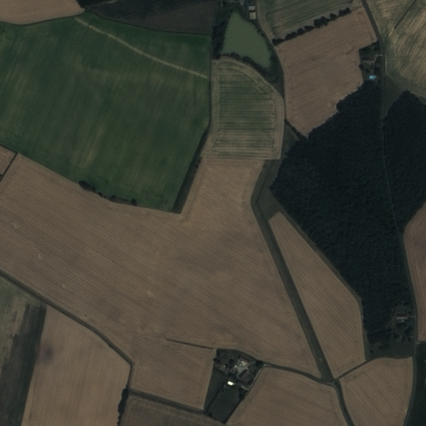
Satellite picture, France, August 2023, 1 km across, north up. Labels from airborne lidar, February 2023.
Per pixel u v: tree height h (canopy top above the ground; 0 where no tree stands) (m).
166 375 0
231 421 0
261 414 0
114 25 0
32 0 0
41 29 0
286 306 0
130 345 0
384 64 0
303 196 19
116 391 0
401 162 16
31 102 0
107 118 0
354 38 0
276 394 0
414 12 0
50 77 0
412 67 0
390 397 0
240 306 0
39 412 0
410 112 23
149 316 0
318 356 0
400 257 11
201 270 0
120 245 0
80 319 0
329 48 0
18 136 0
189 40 0
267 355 0
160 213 0
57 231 0
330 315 0
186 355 0
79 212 0
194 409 0
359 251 19
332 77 0
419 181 20
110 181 0
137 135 0
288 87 0
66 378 0
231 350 0
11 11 0
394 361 0
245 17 0
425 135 18
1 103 0
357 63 0
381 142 12
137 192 0
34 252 0
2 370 0
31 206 0
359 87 0
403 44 0
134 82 0
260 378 0
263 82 0
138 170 0
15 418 0
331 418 0
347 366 0
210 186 0
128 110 0
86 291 0
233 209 0
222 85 0
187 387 0
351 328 0
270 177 0
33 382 0
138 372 0
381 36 0
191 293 0
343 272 11
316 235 18
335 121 18
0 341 0
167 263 0
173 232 0
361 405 0
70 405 0
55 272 0
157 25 0
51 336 0
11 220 0
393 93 0
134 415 0
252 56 0
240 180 0
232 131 0
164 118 0
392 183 12
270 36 0
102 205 0
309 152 13
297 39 0
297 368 0
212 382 0
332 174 15
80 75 0
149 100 0
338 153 19
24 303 0
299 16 0
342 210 7
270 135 0
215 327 0
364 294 16
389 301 16
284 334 0
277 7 0
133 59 0
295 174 20
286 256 0
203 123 0
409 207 18
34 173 0
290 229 0
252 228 0
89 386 0
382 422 0
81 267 0
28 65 0
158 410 0
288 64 0
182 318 0
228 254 0
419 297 0
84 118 0
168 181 0
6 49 0
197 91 0
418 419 0
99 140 0
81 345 0
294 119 0
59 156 0
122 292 0
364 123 18
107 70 0
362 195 12
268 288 0
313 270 0
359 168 20
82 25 0
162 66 0
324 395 0
